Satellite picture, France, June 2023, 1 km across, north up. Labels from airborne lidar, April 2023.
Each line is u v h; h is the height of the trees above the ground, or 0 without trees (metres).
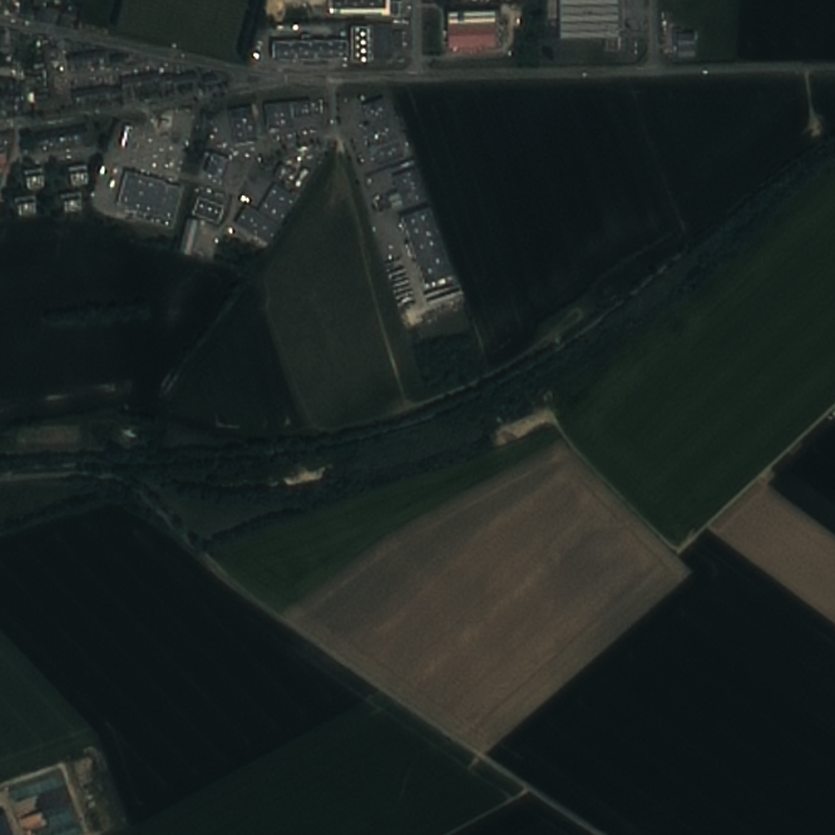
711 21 0
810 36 0
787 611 0
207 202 0
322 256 0
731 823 0
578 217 0
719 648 0
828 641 0
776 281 0
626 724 0
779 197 15
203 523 0
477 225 0
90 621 0
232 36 0
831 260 0
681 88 0
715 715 0
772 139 0
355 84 0
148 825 0
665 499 0
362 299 0
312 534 0
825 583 0
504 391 9
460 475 0
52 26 0
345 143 0
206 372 0
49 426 0
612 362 0
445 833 0
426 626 0
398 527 0
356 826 0
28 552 0
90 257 0
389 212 0
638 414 0
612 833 0
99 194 0
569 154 0
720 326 0
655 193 0
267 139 0
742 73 0
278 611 0
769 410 0
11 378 0
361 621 0
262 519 6
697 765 0
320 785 0
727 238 13
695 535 0
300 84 0
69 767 0
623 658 0
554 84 0
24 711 0
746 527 0
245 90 0
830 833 0
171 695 0
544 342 0
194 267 0
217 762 0
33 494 0
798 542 0
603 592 0
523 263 0
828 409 0
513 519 0
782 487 0
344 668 0
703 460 0
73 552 0
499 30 0
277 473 0
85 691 0
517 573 0
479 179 0
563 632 0
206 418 0
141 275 0
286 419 0
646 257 0
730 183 0
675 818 0
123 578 0
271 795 0
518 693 0
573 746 0
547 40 0
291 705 0
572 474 0
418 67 0
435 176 0
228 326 0
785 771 0
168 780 0
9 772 0
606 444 0
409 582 0
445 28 0
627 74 0
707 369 0
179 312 0
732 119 0
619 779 0
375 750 0
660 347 0
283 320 0
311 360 0
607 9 0
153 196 0
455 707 0
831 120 0
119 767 0
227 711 0
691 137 0
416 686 0
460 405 8
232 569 0
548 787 0
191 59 0
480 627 0
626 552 0
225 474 0
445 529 0
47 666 0
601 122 0
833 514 0
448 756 0
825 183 0
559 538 0
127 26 0
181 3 0
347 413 0
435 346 8
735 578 0
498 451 0
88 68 0
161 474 16
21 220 0
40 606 0
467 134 0
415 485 0
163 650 0
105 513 0
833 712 0
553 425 0
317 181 0
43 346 0
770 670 0
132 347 0
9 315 0
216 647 0
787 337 0
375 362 0
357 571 0
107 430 0
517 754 0
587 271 0
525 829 0
